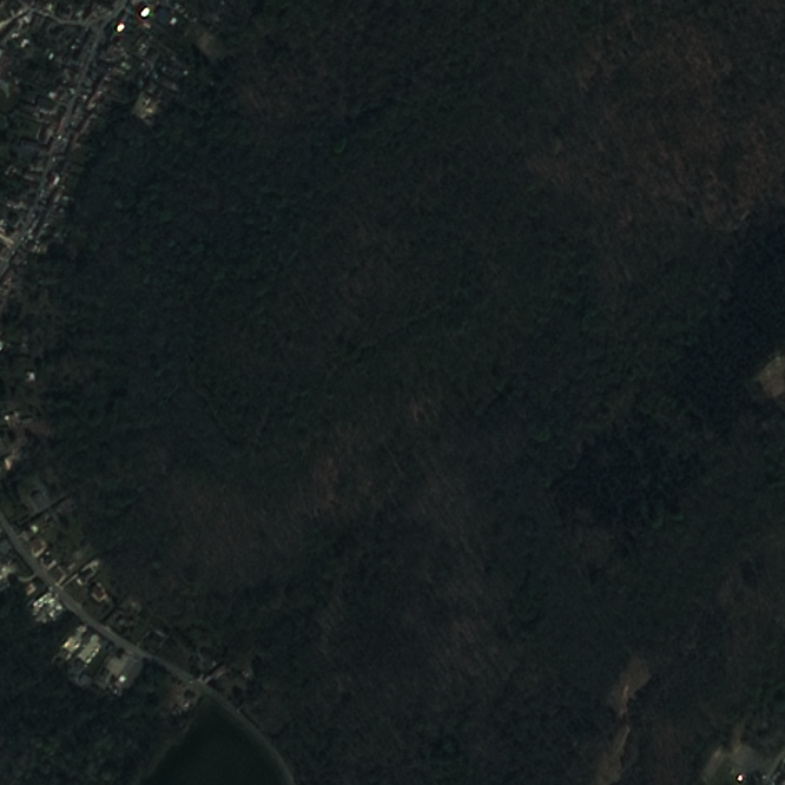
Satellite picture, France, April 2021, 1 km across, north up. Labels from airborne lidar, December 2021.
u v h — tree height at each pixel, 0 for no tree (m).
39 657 29
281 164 22
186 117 30
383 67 19
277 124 27
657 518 19
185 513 27
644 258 17
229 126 22
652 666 20
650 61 21
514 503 18
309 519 28
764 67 22
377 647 25
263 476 17
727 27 15
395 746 24
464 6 9
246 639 16
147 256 22
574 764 17
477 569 25
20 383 7
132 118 15
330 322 16
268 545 25
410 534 28
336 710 23
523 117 20
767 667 22
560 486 16
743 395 13
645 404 18
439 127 16
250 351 17
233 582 25
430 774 27
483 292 15
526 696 9
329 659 26
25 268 12
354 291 19
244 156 23
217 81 21
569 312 25
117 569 21
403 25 24
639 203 20
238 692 14
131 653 0
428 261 15
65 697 25
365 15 22
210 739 0
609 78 18
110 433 17
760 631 26
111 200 24
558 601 15
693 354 22
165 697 0
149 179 18
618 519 16
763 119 22
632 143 17
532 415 24
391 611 19
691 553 14
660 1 22
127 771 23
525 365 22
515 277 14
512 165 18
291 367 14
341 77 23
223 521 30
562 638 15
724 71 14
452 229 16
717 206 17
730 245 6
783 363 0
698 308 21
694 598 7
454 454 29
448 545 22
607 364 15
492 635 12
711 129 13
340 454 23
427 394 26
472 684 28
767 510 15
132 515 26
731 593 17
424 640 20
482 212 17
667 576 10
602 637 17
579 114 23
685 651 13
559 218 15
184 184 25
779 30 18
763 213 19
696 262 18
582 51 19
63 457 23
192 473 21
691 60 15
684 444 17
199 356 13
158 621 0
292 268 7
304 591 20
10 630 18
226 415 14
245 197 25
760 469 7
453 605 19
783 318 18
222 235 21
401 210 15
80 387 12
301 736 21
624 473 15
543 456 6
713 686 24
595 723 11
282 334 18
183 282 13
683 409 21
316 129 23
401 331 13
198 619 11
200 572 25
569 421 8
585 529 20
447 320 12
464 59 13
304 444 17
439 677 24
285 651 21
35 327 20
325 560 22
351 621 26
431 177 20
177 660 0
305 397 13
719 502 14
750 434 17
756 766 0
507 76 23
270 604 24
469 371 22
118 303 22
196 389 9
